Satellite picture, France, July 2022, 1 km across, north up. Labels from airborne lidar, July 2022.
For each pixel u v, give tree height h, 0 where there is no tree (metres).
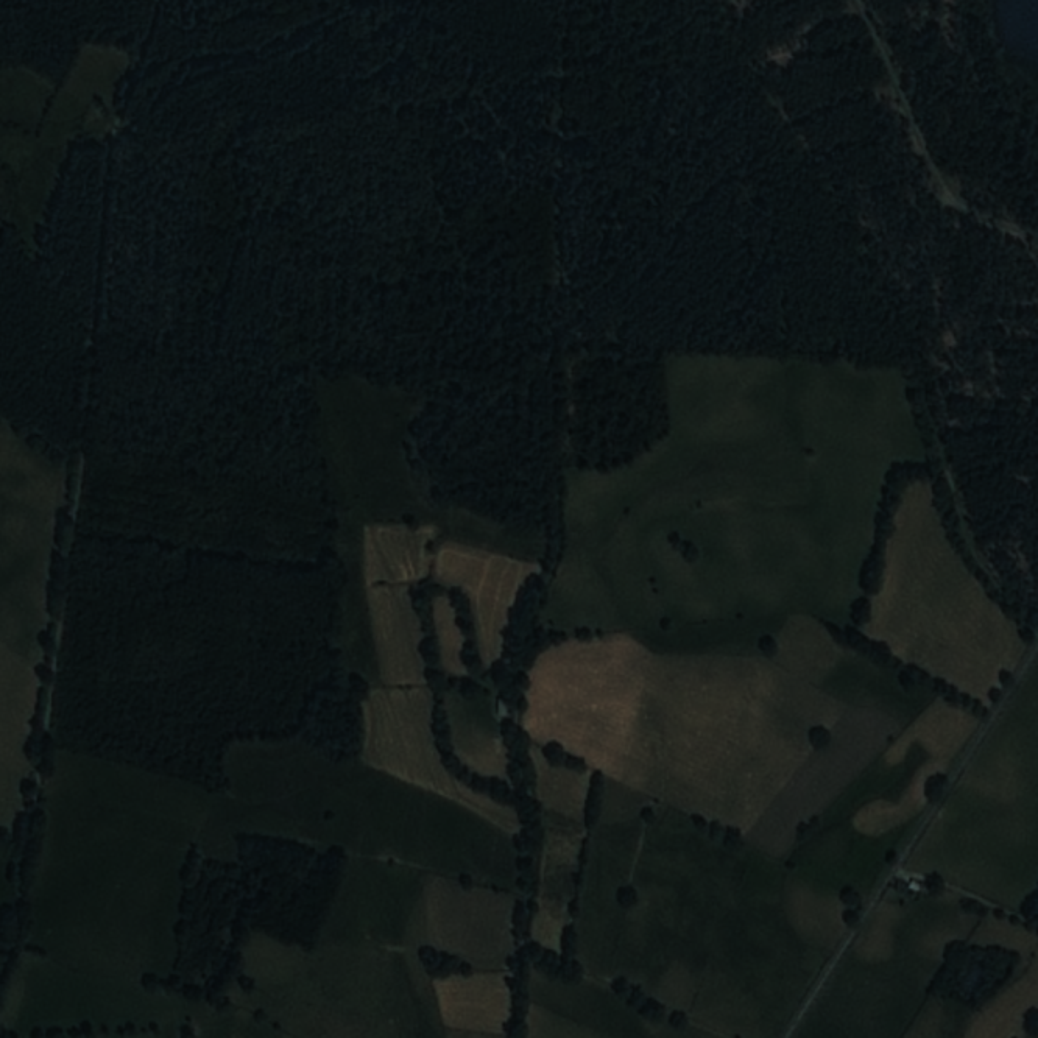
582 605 0
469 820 0
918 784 0
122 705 8
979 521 17
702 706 0
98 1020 0
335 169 28
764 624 0
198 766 7
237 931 20
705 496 0
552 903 0
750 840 0
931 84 25
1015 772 0
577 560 0
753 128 25
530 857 9
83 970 0
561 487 14
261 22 26
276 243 22
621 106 19
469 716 0
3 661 0
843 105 15
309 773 0
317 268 26
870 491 0
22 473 0
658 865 0
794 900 0
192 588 16
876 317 26
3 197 0
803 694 0
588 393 16
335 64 28
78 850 0
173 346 21
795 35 15
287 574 18
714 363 0
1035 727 0
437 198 16
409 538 0
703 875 0
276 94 25
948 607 0
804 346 21
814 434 0
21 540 0
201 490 8
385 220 20
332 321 19
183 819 0
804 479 0
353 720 27
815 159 14
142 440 26
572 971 19
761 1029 0
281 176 28
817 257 29
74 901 0
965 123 24
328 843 0
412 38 33
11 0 26
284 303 26
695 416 0
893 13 16
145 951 0
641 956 0
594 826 9
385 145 28
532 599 23
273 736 13
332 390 0
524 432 17
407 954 0
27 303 17
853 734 0
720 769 0
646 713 0
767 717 0
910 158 18
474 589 0
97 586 19
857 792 0
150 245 23
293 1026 0
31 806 12
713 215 24
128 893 0
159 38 23
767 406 0
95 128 0
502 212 9
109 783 0
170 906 0
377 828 0
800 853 0
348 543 0
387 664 0
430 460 23
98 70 0
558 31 15
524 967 19
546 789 0
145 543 15
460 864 0
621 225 24
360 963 0
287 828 0
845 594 0
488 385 18
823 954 0
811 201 26
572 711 0
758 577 0
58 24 24
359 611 0
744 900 0
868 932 0
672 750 0
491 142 26
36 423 17
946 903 0
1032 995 0
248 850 23
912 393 16
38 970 0
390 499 0
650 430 8
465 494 19
